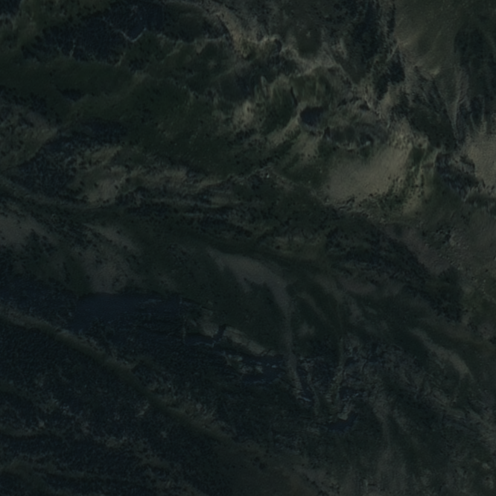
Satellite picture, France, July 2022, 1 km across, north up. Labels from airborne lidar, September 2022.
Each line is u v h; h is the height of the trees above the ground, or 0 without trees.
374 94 0
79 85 0
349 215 0
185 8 0
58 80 0
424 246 0
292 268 0
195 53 0
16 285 8
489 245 0
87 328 9
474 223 0
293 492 0
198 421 0
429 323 0
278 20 0
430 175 0
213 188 0
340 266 0
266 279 0
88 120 0
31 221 0
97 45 9
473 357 0
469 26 0
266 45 0
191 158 0
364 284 0
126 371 0
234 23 0
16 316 0
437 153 0
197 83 0
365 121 0
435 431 0
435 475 0
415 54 0
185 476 6
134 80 0
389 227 0
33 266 0
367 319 0
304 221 0
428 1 0
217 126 0
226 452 0
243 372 0
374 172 0
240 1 0
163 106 0
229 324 0
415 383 0
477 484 0
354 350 0
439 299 6
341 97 0
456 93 0
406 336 0
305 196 0
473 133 0
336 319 0
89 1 0
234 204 0
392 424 0
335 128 0
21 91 0
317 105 0
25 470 0
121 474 10
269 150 0
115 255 0
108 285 0
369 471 0
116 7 12
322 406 0
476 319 0
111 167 0
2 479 7
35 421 7
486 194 0
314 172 0
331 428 15
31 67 0
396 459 0
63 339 0
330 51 0
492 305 0
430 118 0
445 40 0
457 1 0
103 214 0
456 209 0
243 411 6
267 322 0
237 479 0
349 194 0
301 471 0
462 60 0
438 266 0
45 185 14
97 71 0
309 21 0
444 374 0
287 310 0
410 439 0
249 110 0
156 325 15
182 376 8
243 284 0
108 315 10
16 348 11
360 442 0
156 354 6
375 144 0
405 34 0
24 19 0
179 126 0
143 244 0
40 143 0
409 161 0
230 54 0
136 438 6
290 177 0
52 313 7
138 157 0
